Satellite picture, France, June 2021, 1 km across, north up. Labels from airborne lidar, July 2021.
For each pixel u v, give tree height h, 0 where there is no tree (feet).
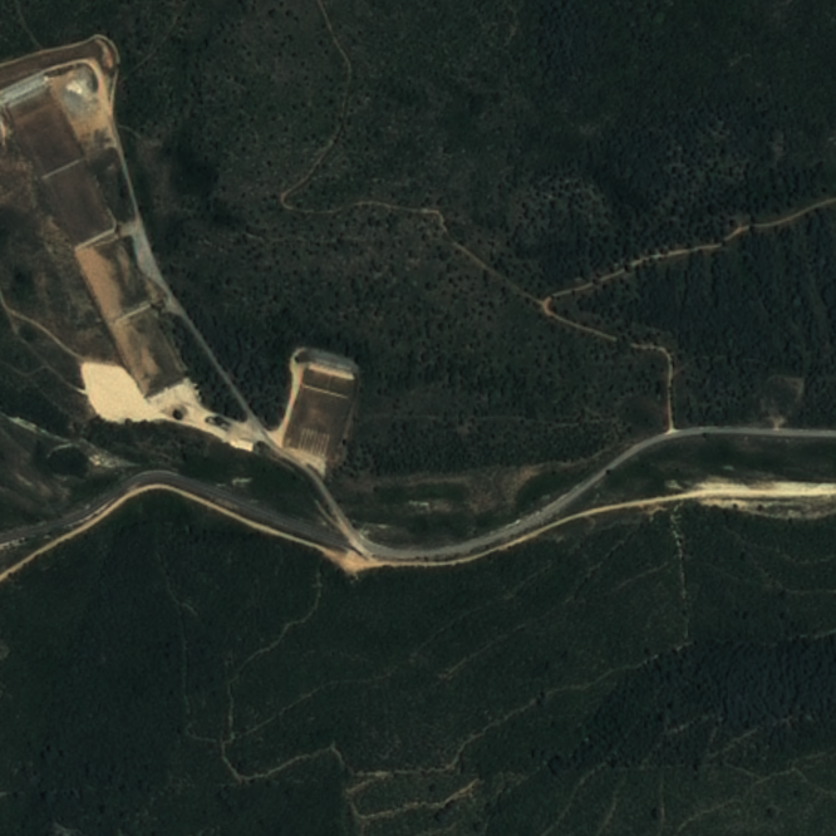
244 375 28
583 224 25
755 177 44
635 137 38
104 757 21
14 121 0
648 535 27
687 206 43
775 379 0
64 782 19
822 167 39
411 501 0
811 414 25
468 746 20
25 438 0
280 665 19
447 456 21
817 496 0
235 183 0
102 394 0
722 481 0
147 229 0
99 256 0
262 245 22
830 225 41
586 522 0
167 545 20
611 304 35
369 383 19
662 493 0
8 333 0
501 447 25
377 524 0
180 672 33
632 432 27
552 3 25
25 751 25
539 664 21
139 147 0
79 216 0
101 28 24
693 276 36
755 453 0
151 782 18
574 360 24
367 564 0
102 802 20
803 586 20
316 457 0
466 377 28
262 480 0
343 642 21
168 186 0
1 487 0
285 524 0
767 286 30
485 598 20
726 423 26
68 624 20
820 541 18
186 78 25
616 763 42
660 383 27
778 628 19
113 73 0
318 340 37
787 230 36
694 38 23
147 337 0
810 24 19
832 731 24
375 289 33
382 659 20
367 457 19
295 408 0
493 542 0
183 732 34
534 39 24
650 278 27
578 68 26
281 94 0
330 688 20
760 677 31
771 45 19
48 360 0
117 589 23
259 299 27
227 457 0
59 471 21
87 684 21
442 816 59
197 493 0
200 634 19
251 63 0
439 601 20
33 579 18
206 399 30
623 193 21
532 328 0
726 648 47
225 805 32
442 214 0
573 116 21
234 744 17
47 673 18
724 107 23
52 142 0
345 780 19
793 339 28
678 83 20
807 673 41
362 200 0
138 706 20
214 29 0
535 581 26
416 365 21
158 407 0
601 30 28
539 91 21
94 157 0
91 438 20
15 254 0
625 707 30
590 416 20
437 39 22
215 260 23
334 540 0
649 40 35
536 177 25
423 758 19
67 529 0
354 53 0
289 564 20
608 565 21
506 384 26
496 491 0
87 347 0
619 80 18
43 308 0
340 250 33
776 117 18
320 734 36
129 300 0
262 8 0
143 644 23
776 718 39
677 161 52
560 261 28
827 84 21
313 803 20
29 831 22
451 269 31
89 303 0
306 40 0
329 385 0
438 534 0
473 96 21
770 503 0
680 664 18
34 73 0
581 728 28
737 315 23
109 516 0
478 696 25
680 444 0
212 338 32
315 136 25
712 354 23
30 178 0
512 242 31
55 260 0
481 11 21
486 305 31
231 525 0
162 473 0
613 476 39
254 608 19
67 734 22
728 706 40
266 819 25
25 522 0
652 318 24
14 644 21
